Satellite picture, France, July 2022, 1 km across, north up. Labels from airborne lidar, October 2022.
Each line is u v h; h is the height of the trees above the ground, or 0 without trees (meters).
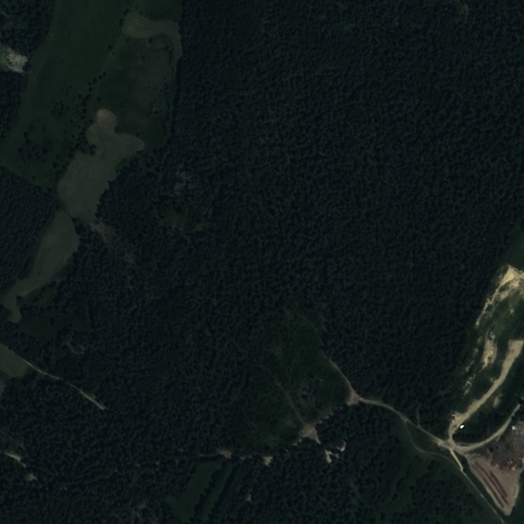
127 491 25
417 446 0
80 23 0
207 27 21
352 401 0
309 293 32
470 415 0
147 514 28
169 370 23
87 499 13
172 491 26
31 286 0
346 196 14
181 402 26
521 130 21
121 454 38
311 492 27
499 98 20
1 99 25
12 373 0
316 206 31
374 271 8
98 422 35
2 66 0
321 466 23
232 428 11
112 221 10
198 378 22
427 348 17
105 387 22
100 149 0
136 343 18
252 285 18
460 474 0
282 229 22
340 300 28
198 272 23
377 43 28
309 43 19
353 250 21
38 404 35
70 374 11
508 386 0
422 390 19
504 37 31
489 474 0
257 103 15
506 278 0
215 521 26
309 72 18
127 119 0
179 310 32
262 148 17
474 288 20
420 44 27
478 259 6
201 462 22
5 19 19
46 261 0
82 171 0
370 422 16
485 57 27
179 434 22
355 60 23
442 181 10
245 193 14
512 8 28
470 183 13
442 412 21
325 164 28
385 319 22
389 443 6
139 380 29
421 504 12
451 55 23
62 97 0
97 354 34
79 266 21
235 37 31
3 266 29
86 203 0
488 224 11
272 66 12
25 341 19
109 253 30
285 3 20
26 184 18
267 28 18
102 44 0
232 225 22
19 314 0
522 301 0
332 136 15
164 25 0
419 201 21
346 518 15
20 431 28
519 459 0
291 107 16
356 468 8
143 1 0
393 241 17
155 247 22
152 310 32
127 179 30
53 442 17
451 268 14
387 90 22
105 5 0
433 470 15
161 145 0
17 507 32
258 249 15
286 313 34
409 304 23
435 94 24
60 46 0
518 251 0
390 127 23
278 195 30
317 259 30
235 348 6
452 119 16
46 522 28
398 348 17
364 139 19
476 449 0
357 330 28
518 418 13
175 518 28
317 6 24
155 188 32
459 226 18
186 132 22
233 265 12
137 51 0
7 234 33
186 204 6
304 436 0
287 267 19
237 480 21
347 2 21
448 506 6
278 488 9
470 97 24
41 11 9
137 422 32
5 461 8
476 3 19
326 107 19
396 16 26
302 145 32
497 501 0
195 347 14
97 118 0
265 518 23
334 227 22
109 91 0
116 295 31
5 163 0
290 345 8
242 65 24
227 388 31
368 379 31
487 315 0
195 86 21
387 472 17
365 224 23
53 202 26
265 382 8
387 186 26
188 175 32
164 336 32
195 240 32
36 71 0
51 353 14
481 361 0
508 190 15
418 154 27
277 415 8
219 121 15
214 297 24
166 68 0
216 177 22
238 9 32
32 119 0
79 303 30
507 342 0
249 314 23
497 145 19
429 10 21
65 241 0
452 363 13
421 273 26
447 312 25
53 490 35
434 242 8
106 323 29
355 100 24
